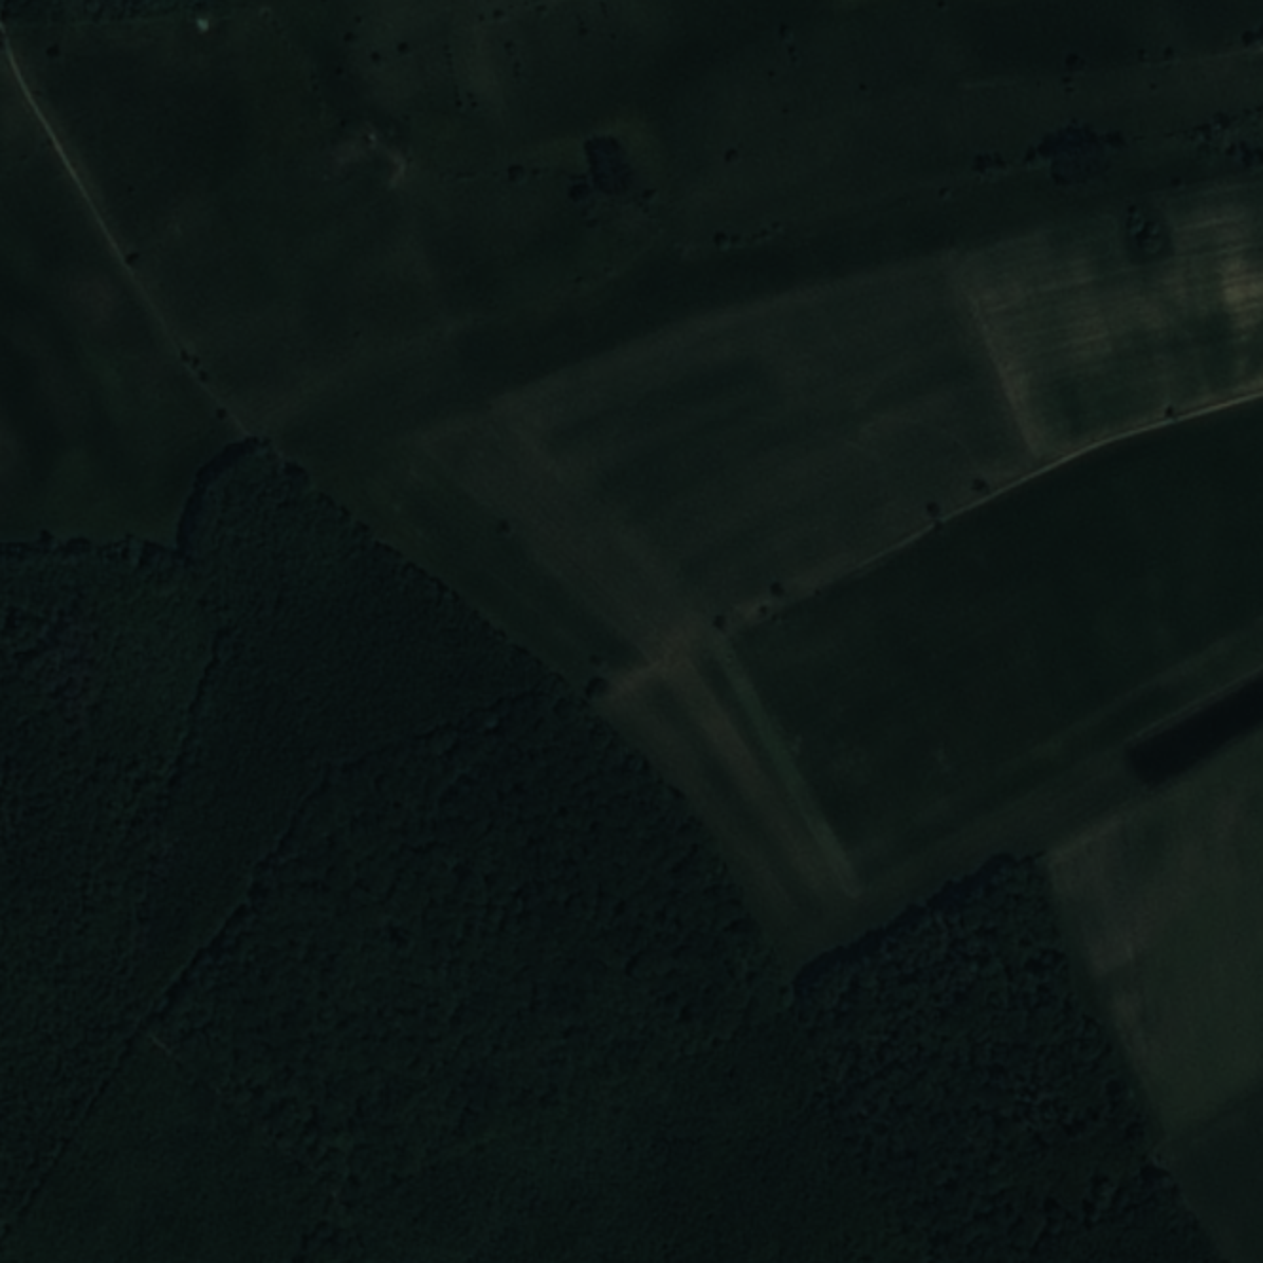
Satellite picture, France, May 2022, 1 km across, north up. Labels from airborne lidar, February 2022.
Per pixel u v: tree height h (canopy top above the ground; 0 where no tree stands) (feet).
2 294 0
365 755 82
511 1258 73
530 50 0
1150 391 0
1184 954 0
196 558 68
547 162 0
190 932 41
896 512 0
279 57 0
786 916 0
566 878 104
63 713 80
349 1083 89
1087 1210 90
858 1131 71
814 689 0
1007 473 0
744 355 0
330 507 55
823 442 0
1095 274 0
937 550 0
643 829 92
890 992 89
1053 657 0
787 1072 58
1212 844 0
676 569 0
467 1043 92
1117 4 0
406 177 0
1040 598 0
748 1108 51
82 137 0
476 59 0
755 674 0
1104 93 0
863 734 0
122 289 0
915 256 0
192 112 0
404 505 0
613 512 0
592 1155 51
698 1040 83
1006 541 0
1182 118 0
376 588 68
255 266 0
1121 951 0
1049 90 0
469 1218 67
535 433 0
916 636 0
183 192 0
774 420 0
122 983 64
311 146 0
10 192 0
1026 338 0
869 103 0
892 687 0
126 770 51
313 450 0
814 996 86
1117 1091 82
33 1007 68
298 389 0
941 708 0
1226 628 0
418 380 0
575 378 0
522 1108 75
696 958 94
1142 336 0
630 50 0
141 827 73
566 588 0
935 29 0
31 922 78
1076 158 96
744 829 0
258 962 90
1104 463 0
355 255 0
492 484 0
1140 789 0
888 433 0
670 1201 52
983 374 0
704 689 0
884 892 0
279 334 0
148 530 0
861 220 0
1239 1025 0
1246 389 0
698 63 0
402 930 82
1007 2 0
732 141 0
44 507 0
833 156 0
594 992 90
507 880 91
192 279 0
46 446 0
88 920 88
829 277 0
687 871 93
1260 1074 0
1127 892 0
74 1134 45
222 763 58
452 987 80
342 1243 71
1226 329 0
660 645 0
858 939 0
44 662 74
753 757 0
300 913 81
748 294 0
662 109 0
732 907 80
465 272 0
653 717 0
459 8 0
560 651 0
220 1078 66
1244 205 0
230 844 52
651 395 0
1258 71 0
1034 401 0
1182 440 0
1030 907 73
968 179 0
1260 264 0
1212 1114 0
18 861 67
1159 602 0
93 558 59
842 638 0
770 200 0
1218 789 0
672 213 0
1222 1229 0
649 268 0
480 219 0
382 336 0
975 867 0
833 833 0
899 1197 73
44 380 0
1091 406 0
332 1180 78
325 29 0
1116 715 0
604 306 0
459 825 103
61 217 0
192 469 0
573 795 94
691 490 0
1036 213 0
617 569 0
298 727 53
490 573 0
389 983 86
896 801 0
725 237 23
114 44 0
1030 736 0
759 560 0
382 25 0
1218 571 0
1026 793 0
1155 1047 0
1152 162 0
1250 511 0
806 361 0
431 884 88
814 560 0
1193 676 0
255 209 0
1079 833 0
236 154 0
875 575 0
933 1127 83
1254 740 0
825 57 0
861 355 0
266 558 53
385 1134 96
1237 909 0
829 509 0
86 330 0
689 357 0
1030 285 0
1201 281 0
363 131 0
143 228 0
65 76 0
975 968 103
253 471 54
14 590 60
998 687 0
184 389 0
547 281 0
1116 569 0
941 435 0
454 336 0
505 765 104
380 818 92
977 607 0
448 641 66
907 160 0
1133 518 0
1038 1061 74
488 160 0
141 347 0
